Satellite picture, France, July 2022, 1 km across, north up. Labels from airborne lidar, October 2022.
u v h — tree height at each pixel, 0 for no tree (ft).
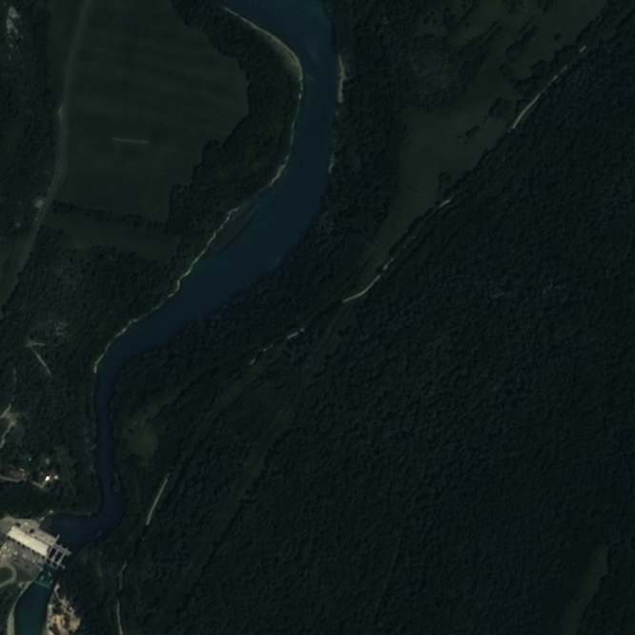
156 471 22
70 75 0
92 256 18
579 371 85
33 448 37
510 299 81
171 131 0
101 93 0
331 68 0
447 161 0
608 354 44
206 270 0
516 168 56
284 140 31
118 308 43
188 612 58
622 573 70
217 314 89
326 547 58
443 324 57
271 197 0
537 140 62
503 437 65
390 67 44
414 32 35
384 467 82
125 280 29
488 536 20
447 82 23
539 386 69
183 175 0
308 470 65
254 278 0
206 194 65
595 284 58
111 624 46
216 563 72
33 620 0
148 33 0
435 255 41
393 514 76
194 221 52
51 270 21
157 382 64
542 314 58
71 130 0
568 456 76
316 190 0
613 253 86
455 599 60
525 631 33
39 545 0
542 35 0
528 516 53
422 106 42
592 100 66
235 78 0
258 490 61
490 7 0
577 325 73
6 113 39
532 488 58
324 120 0
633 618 52
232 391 52
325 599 62
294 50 0
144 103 0
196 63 0
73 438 21
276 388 27
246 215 0
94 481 70
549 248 64
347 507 65
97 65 0
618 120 57
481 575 44
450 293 56
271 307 76
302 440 55
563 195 46
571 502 55
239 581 51
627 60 77
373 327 64
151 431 0
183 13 43
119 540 43
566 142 58
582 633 30
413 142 0
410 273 41
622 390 79
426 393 49
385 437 82
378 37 52
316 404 19
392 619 77
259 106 58
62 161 0
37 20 25
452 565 62
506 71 34
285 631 61
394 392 60
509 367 53
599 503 54
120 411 67
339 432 55
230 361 28
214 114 0
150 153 0
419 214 0
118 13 0
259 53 71
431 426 69
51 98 26
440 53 20
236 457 72
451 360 56
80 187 0
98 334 73
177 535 66
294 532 54
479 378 24
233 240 0
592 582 0
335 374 29
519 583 45
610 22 34
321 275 88
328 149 0
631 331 60
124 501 62
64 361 29
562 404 68
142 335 0
